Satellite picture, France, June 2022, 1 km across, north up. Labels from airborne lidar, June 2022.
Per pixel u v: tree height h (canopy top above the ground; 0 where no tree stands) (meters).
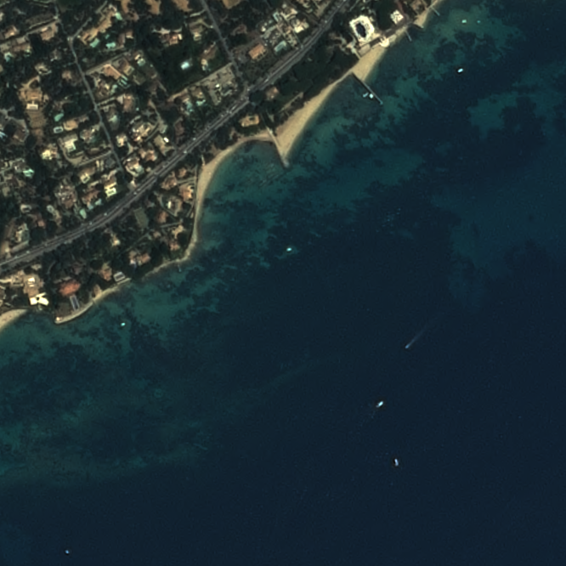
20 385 0
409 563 0
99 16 8
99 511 0
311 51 9
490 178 0
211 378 0
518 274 0
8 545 0
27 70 9
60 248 14
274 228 0
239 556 0
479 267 0
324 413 0
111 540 0
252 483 0
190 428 0
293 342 0
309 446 0
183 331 0
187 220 10
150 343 0
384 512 0
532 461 0
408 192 0
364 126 0
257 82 14
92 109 10
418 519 0
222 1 5
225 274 0
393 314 0
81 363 0
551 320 0
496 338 0
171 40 0
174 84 0
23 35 10
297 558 0
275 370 0
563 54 0
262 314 0
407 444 0
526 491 0
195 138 7
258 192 0
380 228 0
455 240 0
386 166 0
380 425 0
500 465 0
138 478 0
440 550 0
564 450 0
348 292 0
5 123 0
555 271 0
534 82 0
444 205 0
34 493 0
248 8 8
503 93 0
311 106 0
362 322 0
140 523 0
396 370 0
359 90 0
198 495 0
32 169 7
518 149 0
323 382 0
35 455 0
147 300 0
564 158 0
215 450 0
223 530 0
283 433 0
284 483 0
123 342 0
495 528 0
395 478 0
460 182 0
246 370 0
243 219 0
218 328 0
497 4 0
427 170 0
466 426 0
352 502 0
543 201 0
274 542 0
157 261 13
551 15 0
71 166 11
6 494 0
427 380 0
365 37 0
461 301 0
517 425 0
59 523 0
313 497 0
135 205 10
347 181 0
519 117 0
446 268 0
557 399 0
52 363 0
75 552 0
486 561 0
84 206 9
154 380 0
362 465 0
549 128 0
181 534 0
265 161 0
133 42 9
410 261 0
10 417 0
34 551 0
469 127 0
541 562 0
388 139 0
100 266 11
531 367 0
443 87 0
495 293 0
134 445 0
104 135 6
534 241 0
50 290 15
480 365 0
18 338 0
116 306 0
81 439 0
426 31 0
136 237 16
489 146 0
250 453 0
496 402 0
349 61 9
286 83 14
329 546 0
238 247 0
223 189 0
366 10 7
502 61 0
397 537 0
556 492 0
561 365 0
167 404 0
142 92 18
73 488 0
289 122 0
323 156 0
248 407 0
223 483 0
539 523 0
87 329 0
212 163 0
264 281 0
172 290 0
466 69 0
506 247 0
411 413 0
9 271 8
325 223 0
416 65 0
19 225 8
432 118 0
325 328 0
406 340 0
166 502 0
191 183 0
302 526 0
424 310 0
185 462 0
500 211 0
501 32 0
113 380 0
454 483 0
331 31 7
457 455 0
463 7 0
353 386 0
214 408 0
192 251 0
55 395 0
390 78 0
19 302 12
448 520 0
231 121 7
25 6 10
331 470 0
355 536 0
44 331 0
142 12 8
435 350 0
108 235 14
